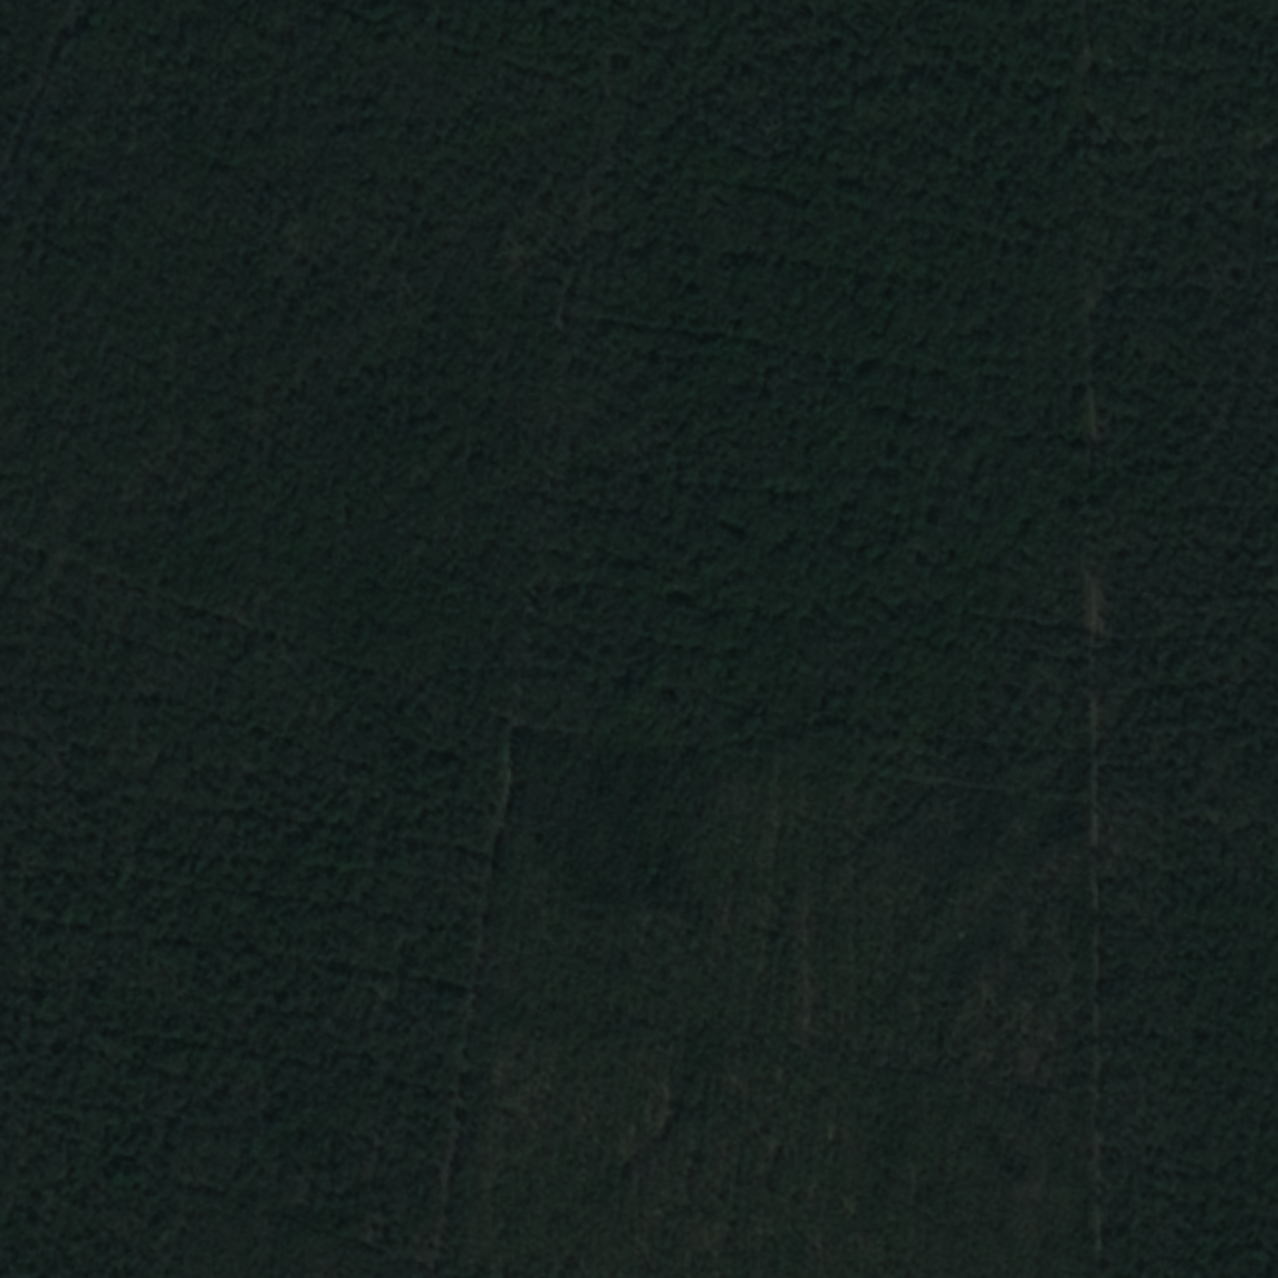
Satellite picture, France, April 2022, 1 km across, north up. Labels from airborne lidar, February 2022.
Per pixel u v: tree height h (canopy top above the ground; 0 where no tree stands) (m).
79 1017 16
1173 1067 17
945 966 11
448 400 16
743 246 16
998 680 17
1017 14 18
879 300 17
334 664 19
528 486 12
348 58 18
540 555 18
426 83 14
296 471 13
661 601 16
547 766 12
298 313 16
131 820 20
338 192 16
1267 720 12
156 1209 18
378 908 16
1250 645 11
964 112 17
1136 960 14
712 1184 16
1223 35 17
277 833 18
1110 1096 14
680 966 20
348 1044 18
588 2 19
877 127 16
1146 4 18
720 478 15
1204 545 14
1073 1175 10
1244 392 8
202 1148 18
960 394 21
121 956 18
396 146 14
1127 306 17
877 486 22
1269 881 17
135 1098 17
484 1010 14
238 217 13
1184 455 12
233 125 15
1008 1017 7
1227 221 17
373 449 18
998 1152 6
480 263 14
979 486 18
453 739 15
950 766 12
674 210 16
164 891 18
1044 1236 10
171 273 17
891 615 18
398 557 16
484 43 15
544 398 13
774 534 19
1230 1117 15
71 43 14
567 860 9
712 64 18
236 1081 17
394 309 17
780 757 17
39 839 15
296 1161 19
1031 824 12
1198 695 12
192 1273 10
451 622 16
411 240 12
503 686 17
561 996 17
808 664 15
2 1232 18
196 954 16
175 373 15
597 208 15
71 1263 17
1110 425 18
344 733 18
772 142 20
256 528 14
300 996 17
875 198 18
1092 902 12
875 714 12
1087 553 16
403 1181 11
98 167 16
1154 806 15
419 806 18
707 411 16
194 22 14
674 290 17
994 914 13
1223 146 15
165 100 18
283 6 18
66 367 15
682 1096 8
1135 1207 16
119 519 17
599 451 17
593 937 14
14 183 17
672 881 11
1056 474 16
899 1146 10
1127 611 10
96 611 17
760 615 17
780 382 19
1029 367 19
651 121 17
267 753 14
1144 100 19
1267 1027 17
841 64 14
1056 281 18
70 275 16
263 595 15
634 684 16
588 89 15
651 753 10
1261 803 16
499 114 16
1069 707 11
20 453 19
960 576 18
